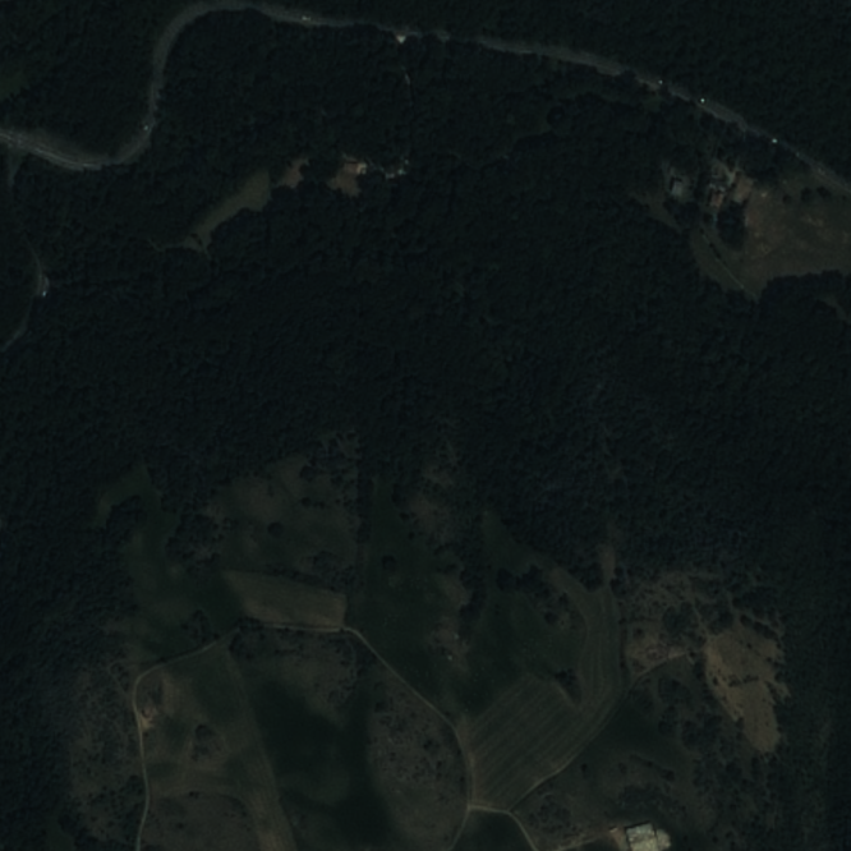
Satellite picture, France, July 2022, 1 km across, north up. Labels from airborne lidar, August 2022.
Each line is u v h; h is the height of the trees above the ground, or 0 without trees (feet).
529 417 85
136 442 52
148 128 0
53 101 74
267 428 54
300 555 0
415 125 72
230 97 87
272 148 68
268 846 0
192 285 54
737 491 42
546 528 46
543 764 0
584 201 84
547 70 62
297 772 0
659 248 58
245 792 0
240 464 50
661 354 84
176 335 74
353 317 50
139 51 53
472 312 82
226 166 71
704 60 64
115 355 65
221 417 74
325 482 0
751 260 0
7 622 76
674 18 51
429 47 81
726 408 73
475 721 0
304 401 47
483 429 56
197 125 80
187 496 39
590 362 41
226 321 76
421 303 96
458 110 61
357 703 0
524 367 66
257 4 38
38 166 53
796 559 48
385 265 100
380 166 48
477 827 0
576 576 39
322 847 0
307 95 80
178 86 71
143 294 76
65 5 34
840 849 57
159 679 0
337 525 0
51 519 62
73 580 73
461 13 67
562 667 0
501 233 55
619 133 82
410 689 0
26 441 64
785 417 52
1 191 77
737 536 57
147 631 0
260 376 83
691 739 28
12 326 60
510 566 0
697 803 0
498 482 74
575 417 39
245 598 0
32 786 58
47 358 62
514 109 72
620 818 0
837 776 58
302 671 0
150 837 0
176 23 0
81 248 73
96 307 62
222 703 0
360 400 48
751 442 64
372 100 83
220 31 75
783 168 87
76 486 77
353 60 76
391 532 0
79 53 63
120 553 35
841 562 64
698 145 65
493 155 74
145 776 0
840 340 70
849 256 0
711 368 67
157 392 72
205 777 0
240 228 73
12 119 59
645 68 55
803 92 40
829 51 39
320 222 77
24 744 33
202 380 85
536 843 0
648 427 37
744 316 69
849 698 45
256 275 68
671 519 17
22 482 43
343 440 45
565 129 76
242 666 0
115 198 81
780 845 24
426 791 0
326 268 84
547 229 65
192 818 0
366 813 0
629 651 0
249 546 0
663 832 0
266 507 0
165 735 0
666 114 70
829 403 59
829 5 50
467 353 68
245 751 0
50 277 64
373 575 0
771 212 0
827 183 0
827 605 44
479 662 0
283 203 63
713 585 29
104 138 65
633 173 95
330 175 48
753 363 77
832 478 67
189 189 79
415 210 83
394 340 79
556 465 39
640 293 61
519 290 68
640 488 41
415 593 0
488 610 0
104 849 19
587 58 0
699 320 63
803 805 28
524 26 43
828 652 29
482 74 68
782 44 52
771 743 0
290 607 0
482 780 0
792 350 68
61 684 23
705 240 0
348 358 31
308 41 73
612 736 0
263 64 71
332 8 66
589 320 37
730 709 0
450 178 66
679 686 36
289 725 0
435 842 0
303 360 48
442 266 64
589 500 26
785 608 21
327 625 0
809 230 0
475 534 44
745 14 70
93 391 52
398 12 61
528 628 0
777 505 52
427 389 54
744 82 61
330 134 76
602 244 31
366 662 26
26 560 78
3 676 64
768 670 0
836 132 46
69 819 41
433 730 0
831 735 39
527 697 0
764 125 45
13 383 56
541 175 73
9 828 80
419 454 39
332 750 0
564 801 0
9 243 78
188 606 0
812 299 72
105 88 69
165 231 64
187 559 32
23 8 42
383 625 0
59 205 90
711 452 27
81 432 56
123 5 59
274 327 71
